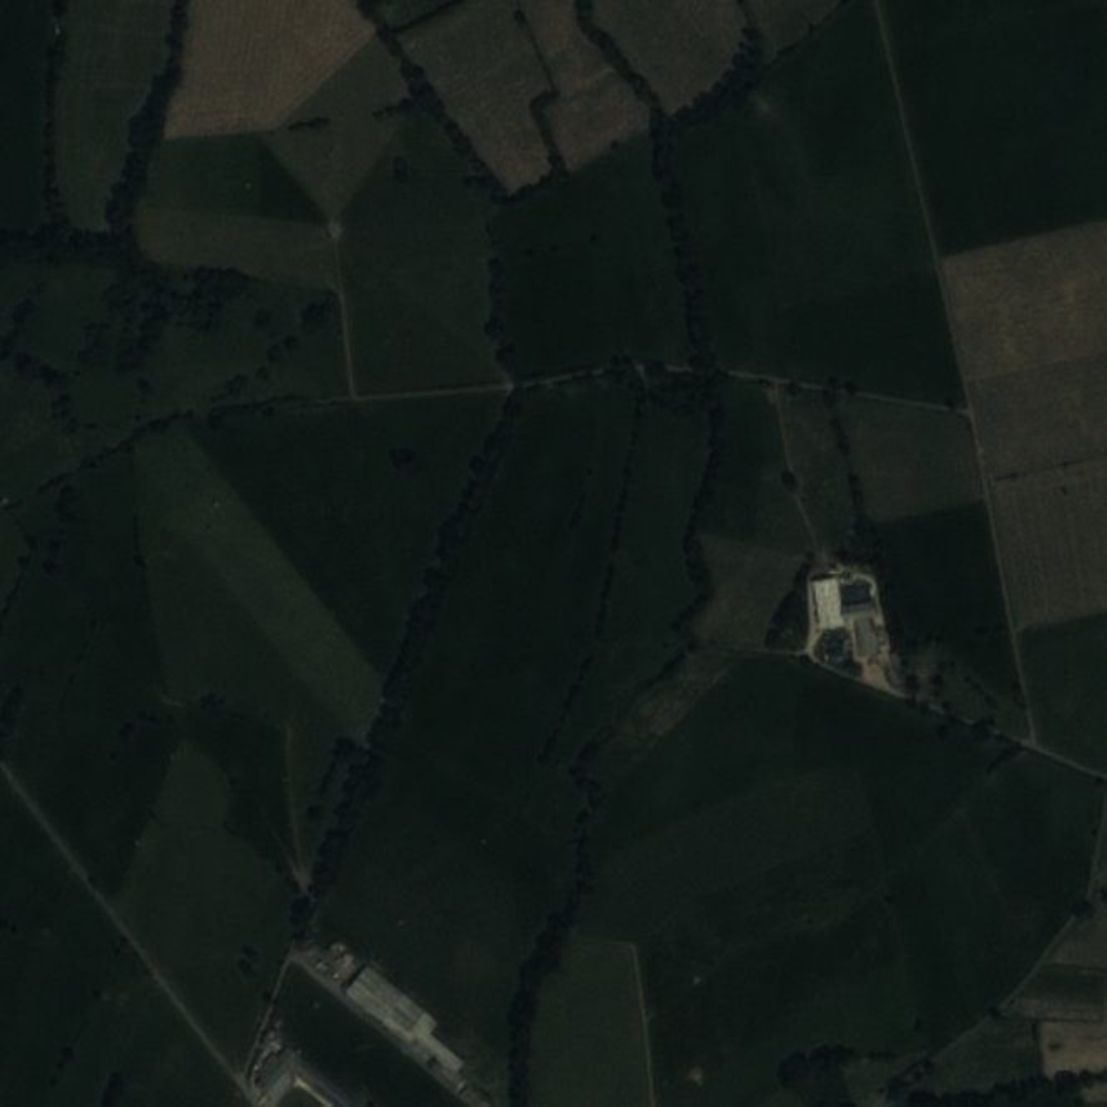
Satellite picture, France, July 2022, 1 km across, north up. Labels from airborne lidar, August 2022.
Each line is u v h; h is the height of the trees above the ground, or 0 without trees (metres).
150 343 17
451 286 0
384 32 16
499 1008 0
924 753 0
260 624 0
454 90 0
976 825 0
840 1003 0
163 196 0
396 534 0
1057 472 0
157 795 0
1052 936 0
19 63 0
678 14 0
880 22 0
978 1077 0
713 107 21
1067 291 0
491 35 0
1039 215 0
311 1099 0
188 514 0
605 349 0
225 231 0
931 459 0
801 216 0
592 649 0
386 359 0
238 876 0
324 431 0
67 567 0
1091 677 0
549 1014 0
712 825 0
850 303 0
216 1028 0
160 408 0
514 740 0
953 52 0
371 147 0
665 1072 0
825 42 0
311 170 0
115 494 0
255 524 0
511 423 9
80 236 16
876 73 0
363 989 0
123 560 0
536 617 0
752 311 0
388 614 0
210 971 0
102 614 0
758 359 0
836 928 0
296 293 0
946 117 0
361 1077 0
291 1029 0
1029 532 0
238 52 0
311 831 0
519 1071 15
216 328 8
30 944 0
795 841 0
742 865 0
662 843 0
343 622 0
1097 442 0
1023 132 0
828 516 0
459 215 0
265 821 0
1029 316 0
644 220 0
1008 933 0
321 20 0
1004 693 0
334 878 15
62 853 0
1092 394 0
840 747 0
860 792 0
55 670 0
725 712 0
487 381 0
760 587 0
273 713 0
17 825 0
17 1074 0
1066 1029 0
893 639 16
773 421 0
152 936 0
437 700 0
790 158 0
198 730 0
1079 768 0
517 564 0
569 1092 0
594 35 11
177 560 0
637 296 0
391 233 0
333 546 0
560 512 0
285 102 0
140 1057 0
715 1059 0
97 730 0
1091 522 0
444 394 0
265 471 0
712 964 0
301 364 0
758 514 0
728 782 0
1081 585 0
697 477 0
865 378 0
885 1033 0
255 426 0
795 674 0
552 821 0
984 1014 0
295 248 0
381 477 0
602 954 0
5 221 0
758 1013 0
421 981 0
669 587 0
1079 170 0
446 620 0
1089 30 0
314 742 0
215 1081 0
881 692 0
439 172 0
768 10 0
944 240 0
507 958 0
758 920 0
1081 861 0
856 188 0
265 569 0
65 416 7
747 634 0
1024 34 0
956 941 0
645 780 0
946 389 0
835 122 0
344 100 0
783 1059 0
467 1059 0
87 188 0
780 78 0
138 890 0
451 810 0
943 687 13
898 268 0
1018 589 0
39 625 0
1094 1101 0
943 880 0
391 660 0
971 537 0
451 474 0
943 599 0
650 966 0
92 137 0
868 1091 0
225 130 0
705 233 0
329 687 0
